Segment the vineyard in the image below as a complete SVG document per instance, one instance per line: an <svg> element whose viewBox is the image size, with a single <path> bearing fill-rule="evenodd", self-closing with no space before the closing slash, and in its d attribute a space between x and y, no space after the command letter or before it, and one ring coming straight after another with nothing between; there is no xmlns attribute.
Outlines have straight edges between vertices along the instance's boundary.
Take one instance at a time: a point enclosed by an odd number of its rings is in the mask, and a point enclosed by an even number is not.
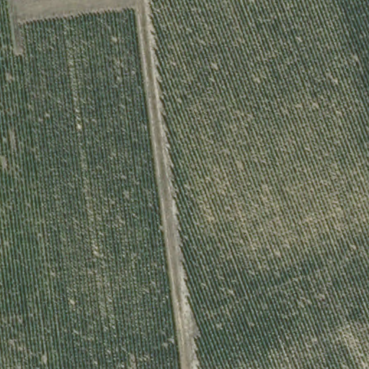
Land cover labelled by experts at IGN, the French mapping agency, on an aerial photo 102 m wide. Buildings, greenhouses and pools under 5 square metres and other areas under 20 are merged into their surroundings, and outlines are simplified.
<svg viewBox="0 0 369 369"><path fill-rule="evenodd" d="M35 20L20 25L17 23L17 7L7 0L0 0L0 369L182 369L166 241L161 229L163 219L135 12L133 9L124 9L121 12L79 14L75 17Z"/></svg>
<svg viewBox="0 0 369 369"><path fill-rule="evenodd" d="M160 75L160 101L163 105L161 115L166 125L169 156L173 163L173 186L177 189L177 221L182 245L180 249L184 258L186 287L189 291L187 303L199 330L199 336L195 340L196 356L199 360L197 369L369 369L369 0L150 0L151 25L156 35L154 53L157 58L157 72Z"/></svg>

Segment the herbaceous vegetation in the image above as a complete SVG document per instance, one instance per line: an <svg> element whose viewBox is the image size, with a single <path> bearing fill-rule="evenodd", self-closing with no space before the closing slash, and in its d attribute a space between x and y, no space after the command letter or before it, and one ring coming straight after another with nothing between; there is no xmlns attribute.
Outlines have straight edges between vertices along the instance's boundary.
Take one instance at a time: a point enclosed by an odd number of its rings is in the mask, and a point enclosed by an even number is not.
<svg viewBox="0 0 369 369"><path fill-rule="evenodd" d="M189 291L186 287L184 258L180 249L182 245L177 221L177 189L173 186L173 163L169 156L166 125L161 115L163 105L160 101L160 75L157 72L157 58L154 53L156 35L151 25L150 0L7 0L17 7L17 23L20 25L35 20L75 17L79 14L121 12L124 9L133 9L135 12L163 219L161 229L166 241L182 369L197 369L199 360L196 356L195 340L199 336L199 330L187 303Z"/></svg>

